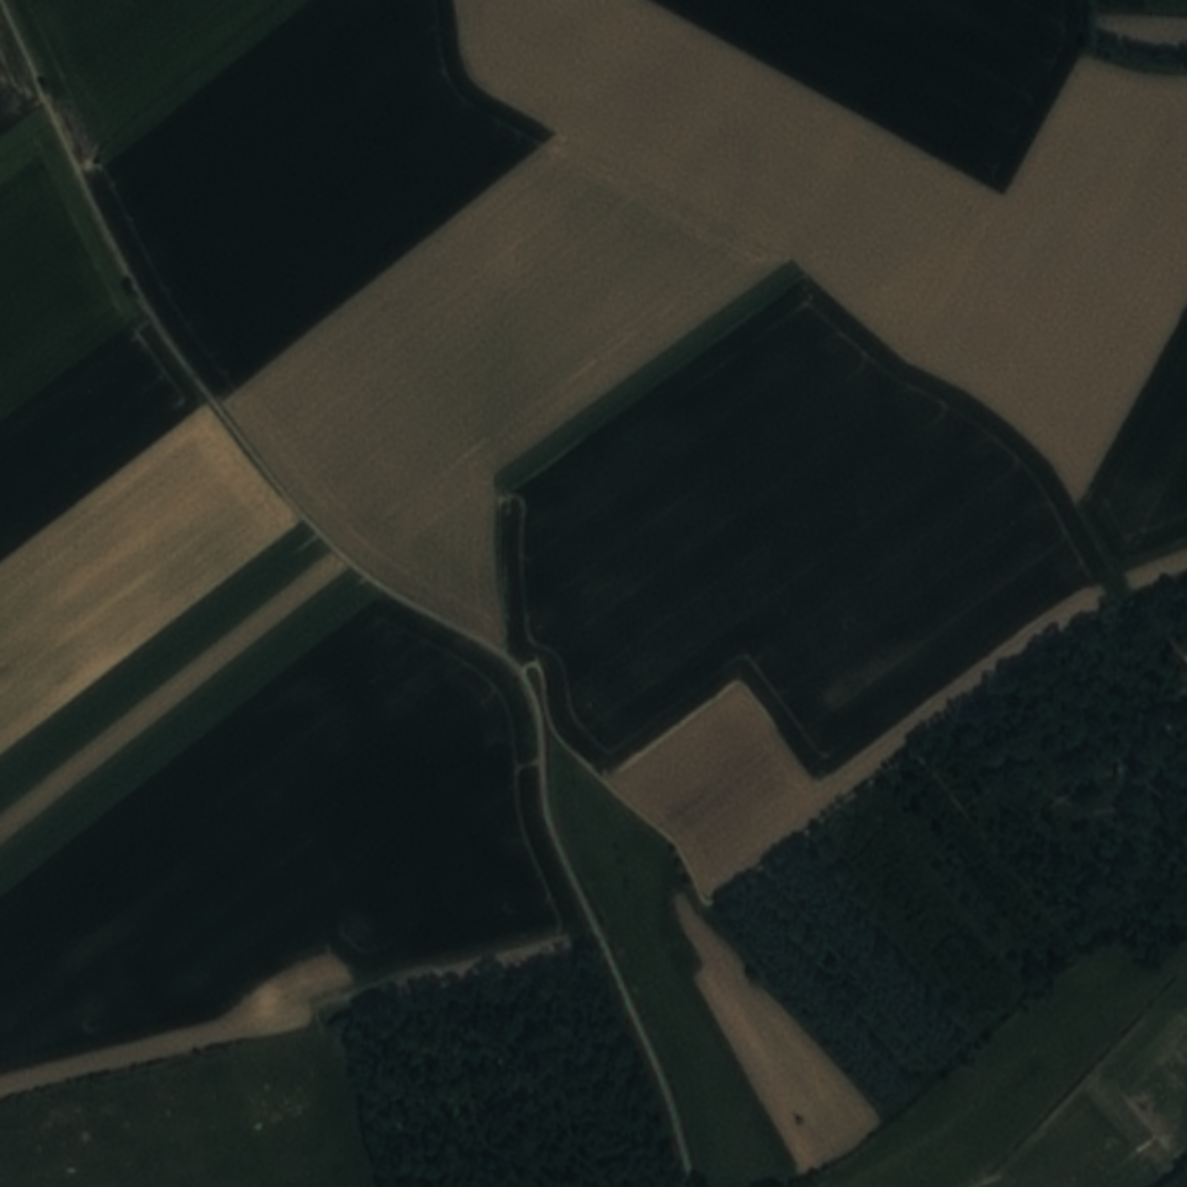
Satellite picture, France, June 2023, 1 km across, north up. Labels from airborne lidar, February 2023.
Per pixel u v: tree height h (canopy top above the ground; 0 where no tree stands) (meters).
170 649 0
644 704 0
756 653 0
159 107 0
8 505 0
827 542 0
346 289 0
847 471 0
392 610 0
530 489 0
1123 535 0
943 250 0
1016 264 0
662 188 0
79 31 0
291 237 0
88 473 0
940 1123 0
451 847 0
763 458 0
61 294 0
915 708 0
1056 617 0
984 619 0
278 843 0
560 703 0
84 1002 0
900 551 0
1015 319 0
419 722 0
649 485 0
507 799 0
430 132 0
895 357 0
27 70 0
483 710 0
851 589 0
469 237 0
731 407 0
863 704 0
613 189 0
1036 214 0
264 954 0
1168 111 0
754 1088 0
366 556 0
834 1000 27
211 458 0
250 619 0
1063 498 0
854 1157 0
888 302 0
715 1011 0
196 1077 0
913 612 0
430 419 0
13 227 0
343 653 0
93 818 0
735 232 0
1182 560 0
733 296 0
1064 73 0
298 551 0
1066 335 0
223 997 0
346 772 0
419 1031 8
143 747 0
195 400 0
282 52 0
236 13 0
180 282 0
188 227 0
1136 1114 0
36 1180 0
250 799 0
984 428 0
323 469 0
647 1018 0
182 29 0
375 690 0
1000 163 0
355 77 0
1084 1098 0
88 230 0
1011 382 0
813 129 0
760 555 0
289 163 0
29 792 0
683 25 0
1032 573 0
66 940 0
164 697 0
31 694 0
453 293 0
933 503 0
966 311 0
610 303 0
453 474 0
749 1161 0
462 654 0
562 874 0
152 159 0
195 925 0
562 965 22
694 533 0
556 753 0
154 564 0
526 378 0
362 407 0
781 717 0
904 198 0
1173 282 0
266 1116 0
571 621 0
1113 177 0
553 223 0
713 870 0
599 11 0
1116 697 27
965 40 0
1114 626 22
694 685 0
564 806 0
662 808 0
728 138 0
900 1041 14
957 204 0
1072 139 0
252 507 0
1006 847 12
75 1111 0
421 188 0
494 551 0
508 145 0
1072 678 26
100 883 0
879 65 0
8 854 0
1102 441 0
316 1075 0
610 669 0
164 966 0
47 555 0
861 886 16
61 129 0
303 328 0
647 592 0
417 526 0
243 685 0
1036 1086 0
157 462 0
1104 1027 0
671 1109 0
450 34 0
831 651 0
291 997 0
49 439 0
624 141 0
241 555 0
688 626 0
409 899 0
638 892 0
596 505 0
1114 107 0
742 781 0
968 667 0
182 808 0
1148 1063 0
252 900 0
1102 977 0
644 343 0
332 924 0
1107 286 0
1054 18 0
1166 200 0
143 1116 0
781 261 0
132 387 0
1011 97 0
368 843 0
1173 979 0
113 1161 0
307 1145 0
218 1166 0
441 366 0
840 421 0
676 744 0
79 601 0
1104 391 0
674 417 0
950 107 0
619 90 0
